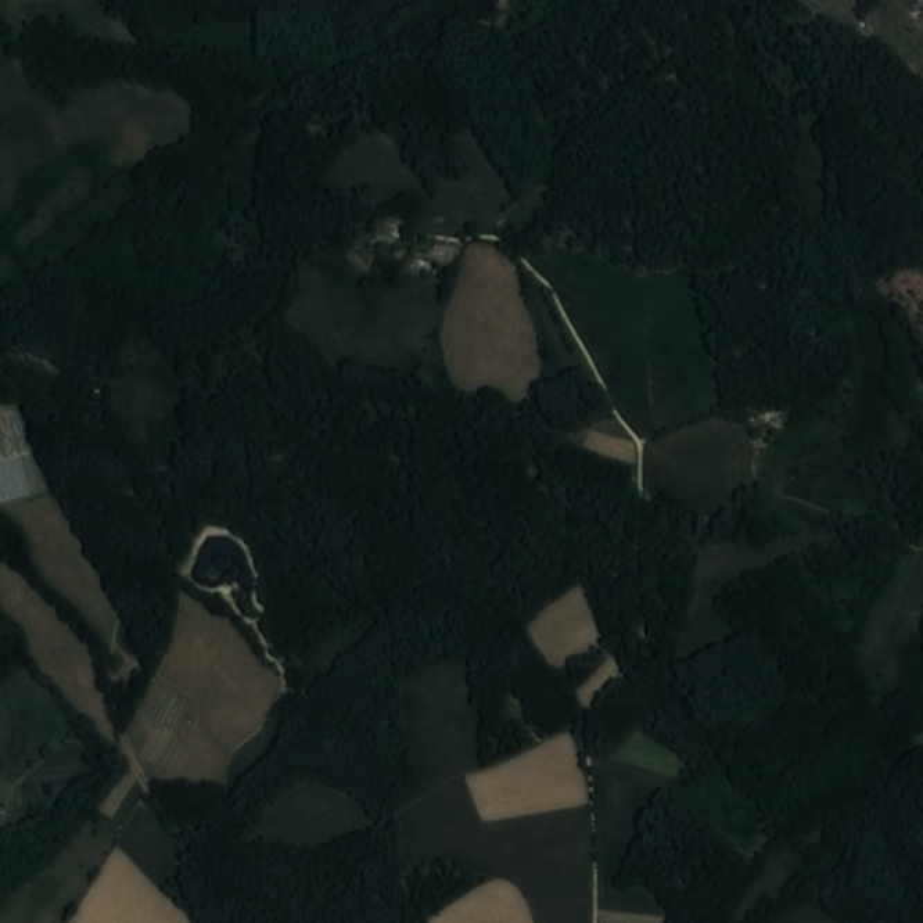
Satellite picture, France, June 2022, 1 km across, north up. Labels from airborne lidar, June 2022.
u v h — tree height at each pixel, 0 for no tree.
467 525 23
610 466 11
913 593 0
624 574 17
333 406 14
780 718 22
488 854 0
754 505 15
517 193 33
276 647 8
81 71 23
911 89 27
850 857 24
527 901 0
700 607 0
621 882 16
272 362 23
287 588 23
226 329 22
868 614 6
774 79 24
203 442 19
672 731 30
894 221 21
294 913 20
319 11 25
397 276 10
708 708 31
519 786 0
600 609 17
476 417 13
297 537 12
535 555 21
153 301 17
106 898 0
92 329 16
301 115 20
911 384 0
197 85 20
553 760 0
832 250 27
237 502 19
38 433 27
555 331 0
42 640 0
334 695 17
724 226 12
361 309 0
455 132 15
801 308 26
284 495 18
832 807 24
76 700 0
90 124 0
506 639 17
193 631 0
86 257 17
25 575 14
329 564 28
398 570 20
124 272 18
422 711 0
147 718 0
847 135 23
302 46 22
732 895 19
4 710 0
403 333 0
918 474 9
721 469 0
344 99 21
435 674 0
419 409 16
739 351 23
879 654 0
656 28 21
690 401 0
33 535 0
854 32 24
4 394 26
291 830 0
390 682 19
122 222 17
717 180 26
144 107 0
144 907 0
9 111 0
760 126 28
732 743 19
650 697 25
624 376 0
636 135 28
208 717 0
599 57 16
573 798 0
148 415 0
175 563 8
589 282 0
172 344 21
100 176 6
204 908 20
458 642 20
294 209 29
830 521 12
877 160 20
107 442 23
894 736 20
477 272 0
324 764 25
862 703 28
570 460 15
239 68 12
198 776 0
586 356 0
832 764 22
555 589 16
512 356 0
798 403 23
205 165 16
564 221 23
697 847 26
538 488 27
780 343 23
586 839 0
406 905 19
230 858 19
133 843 0
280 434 13
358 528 20
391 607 18
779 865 0
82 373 14
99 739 17
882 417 0
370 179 0
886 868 26
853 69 26
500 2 19
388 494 18
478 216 0
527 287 12
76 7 0
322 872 15
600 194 24
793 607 24
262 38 24
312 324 0
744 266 13
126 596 18
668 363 0
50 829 26
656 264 29
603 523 25
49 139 0
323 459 17
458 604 21
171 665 0
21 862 22
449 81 27
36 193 8
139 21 19
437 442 22
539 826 0
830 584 8
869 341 0
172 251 19
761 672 31
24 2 0
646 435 0
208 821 17
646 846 33
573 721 13
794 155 15
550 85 17
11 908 0
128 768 12
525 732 9
